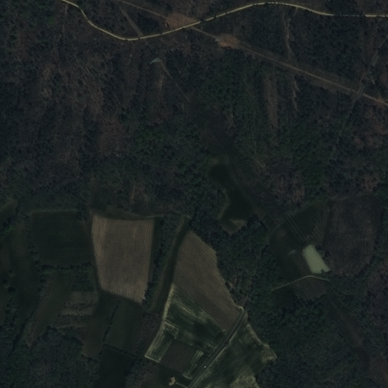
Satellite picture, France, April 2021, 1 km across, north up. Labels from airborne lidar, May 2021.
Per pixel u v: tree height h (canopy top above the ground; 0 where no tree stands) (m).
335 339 17
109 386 0
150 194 17
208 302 0
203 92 18
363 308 15
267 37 7
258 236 19
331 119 13
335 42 14
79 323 9
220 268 18
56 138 8
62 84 17
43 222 0
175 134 12
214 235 15
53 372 17
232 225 0
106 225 0
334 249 0
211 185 13
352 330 0
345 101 17
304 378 17
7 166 12
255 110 16
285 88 11
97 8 14
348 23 17
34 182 21
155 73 21
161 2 8
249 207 0
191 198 14
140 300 0
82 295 0
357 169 12
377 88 12
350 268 0
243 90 16
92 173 23
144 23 19
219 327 0
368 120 11
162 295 0
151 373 8
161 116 11
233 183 0
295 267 0
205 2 0
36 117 7
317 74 0
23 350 20
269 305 20
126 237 0
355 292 19
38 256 13
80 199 20
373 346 8
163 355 0
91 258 0
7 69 17
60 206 18
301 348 17
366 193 18
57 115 23
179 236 0
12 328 12
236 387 0
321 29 15
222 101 20
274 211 8
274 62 0
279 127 12
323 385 12
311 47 8
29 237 9
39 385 16
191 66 20
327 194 19
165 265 16
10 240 0
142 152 19
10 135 13
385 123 21
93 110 17
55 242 0
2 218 0
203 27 11
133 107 11
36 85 11
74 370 16
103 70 15
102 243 0
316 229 16
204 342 0
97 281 0
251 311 15
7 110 10
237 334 0
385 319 16
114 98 22
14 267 0
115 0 0
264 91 22
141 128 21
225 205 14
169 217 17
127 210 14
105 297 0
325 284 6
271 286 21
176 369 0
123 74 20
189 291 0
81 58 16
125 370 0
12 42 12
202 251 0
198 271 0
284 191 6
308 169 19
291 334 12
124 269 0
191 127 16
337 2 21
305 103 22
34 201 21
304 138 20
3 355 26
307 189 12
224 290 0
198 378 0
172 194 15
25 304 0
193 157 17
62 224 0
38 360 21
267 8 12
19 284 0
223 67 15
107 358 0
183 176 11
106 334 8
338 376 14
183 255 0
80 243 0
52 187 9
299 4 0
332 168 11
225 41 0
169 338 0
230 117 11
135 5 0
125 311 0
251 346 0
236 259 18
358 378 21
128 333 0
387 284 6
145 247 0
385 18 5
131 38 0
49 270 16
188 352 0
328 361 15
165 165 10
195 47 19
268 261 17
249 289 19
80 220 16
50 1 17
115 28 13
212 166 0
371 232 0
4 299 0
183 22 0
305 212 0
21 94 17
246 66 18
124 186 12
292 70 0
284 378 20
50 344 19
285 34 0
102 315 0
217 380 0
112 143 0
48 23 17
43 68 11
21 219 18
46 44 10
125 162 17
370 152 20
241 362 0
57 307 0
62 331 5
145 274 0
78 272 7
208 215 24
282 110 19
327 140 14
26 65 19
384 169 21
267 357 0
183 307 0
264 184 13
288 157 11
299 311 23
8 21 15
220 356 0
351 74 16
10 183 18
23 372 22
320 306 13
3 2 12
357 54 16
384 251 9
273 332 12
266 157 11
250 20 7
